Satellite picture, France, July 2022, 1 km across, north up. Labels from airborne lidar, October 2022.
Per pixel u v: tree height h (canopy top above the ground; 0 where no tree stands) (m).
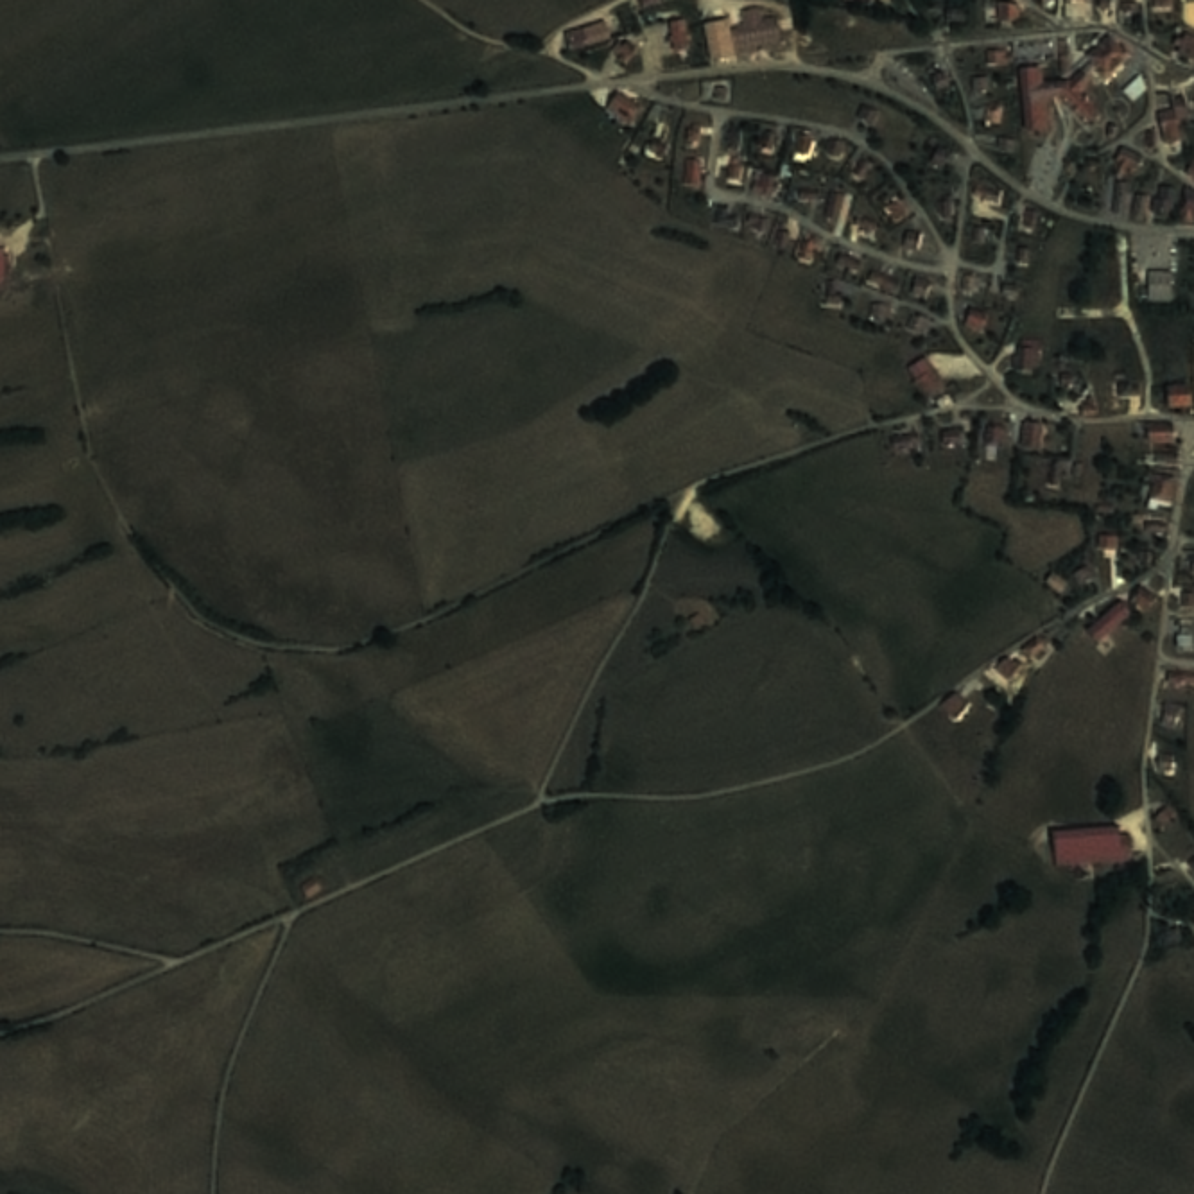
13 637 0
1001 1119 0
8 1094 0
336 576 0
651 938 0
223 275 0
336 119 0
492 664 0
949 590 0
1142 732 0
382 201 0
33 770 0
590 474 0
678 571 0
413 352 0
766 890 0
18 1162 0
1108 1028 0
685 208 0
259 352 0
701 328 0
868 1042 0
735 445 0
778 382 0
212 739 0
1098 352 17
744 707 0
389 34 0
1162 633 0
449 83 0
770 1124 0
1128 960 0
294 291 0
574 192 0
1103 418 0
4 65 0
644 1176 0
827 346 0
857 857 0
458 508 0
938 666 0
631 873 0
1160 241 0
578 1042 0
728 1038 0
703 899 0
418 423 0
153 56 0
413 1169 0
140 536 6
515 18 0
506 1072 0
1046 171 0
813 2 13
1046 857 0
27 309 0
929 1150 0
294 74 0
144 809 0
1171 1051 0
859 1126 0
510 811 0
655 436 0
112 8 0
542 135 0
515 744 0
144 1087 0
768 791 0
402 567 0
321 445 0
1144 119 0
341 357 0
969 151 0
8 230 0
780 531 0
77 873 0
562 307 0
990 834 0
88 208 0
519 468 0
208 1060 0
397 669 0
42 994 0
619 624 0
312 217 0
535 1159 0
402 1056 0
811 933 0
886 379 0
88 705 0
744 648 0
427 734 0
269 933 0
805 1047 0
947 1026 0
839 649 0
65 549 0
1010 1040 0
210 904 0
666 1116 0
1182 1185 0
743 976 0
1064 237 0
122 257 0
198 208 0
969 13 6
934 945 0
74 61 0
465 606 7
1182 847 0
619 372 0
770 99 0
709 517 0
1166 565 0
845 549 0
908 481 0
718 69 0
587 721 0
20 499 0
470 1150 0
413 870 0
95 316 0
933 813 0
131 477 0
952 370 0
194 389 0
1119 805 19
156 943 0
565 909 0
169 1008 0
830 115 0
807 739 0
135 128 0
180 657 0
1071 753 0
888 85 0
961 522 0
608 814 0
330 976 0
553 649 0
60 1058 0
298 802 0
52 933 0
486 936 0
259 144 0
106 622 0
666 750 0
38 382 0
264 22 0
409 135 0
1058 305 0
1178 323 0
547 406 0
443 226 0
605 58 0
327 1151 0
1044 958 0
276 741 0
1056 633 0
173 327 0
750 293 0
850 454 0
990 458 0
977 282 0
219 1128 0
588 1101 0
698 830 0
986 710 0
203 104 0
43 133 0
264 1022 0
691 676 0
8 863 0
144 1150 0
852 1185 0
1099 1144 0
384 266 0
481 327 0
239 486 0
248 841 0
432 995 0
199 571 0
